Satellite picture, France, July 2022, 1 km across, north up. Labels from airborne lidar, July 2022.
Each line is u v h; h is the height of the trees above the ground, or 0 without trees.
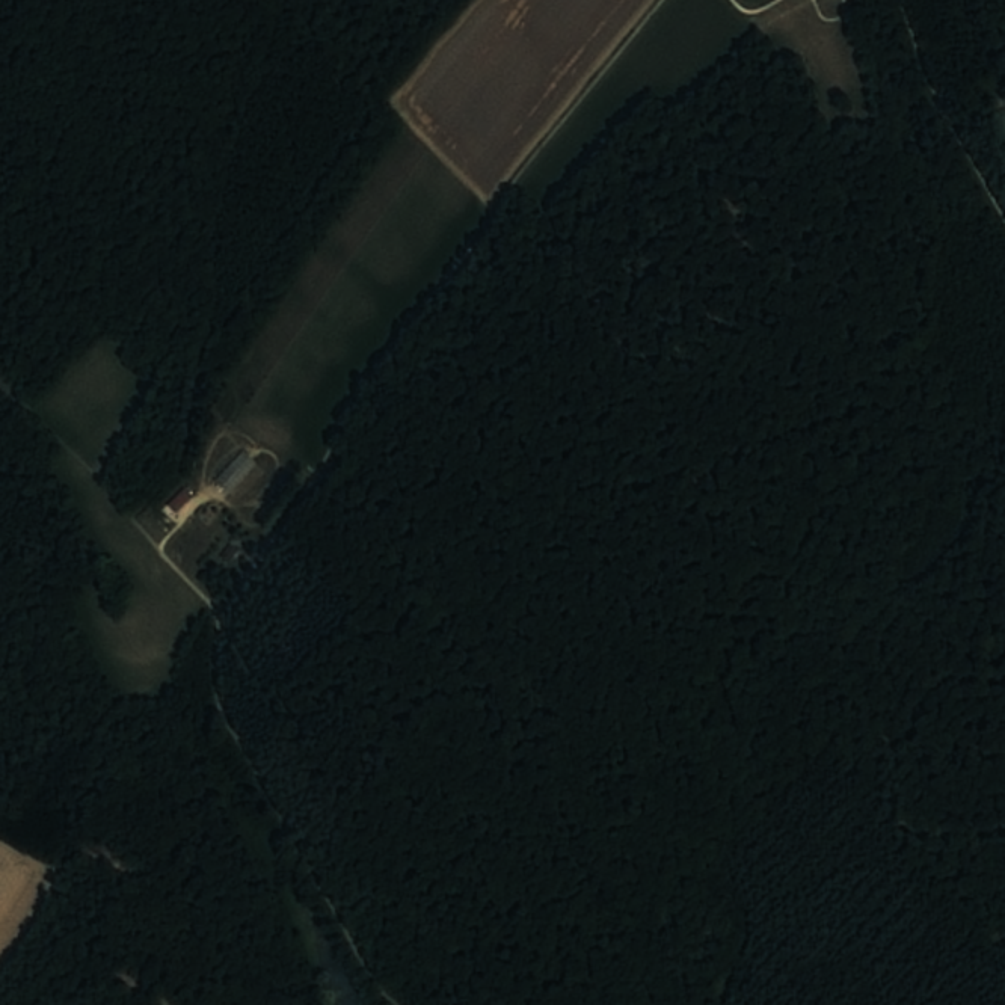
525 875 22
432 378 27
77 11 25
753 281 26
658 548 26
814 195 29
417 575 30
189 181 24
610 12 0
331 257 0
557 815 25
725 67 19
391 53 20
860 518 23
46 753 17
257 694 24
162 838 20
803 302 29
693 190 31
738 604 23
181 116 23
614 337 27
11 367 21
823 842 17
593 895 23
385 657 28
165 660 0
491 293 27
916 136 13
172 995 19
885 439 22
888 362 30
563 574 26
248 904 30
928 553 6
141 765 19
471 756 29
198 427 28
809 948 22
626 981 21
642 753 27
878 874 18
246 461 0
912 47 7
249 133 21
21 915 0
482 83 0
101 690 14
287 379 0
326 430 0
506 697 30
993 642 26
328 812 29
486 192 0
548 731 25
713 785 25
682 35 0
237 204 20
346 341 0
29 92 24
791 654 24
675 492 24
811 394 28
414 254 0
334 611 26
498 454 30
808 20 0
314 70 22
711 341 28
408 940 22
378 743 20
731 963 23
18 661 23
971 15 18
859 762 22
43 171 22
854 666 24
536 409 24
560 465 28
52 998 20
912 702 28
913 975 21
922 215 31
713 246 28
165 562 0
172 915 18
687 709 25
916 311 25
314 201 17
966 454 26
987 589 25
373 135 21
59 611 22
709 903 16
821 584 21
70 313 19
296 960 18
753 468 27
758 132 20
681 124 25
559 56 0
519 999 28
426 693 28
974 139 28
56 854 14
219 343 23
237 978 28
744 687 22
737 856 26
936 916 18
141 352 21
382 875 27
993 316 17
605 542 29
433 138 0
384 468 24
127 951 18
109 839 26
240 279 17
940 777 27
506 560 27
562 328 27
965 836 26
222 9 25
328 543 28
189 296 19
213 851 20
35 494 27
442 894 25
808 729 26
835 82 0
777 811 16
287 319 0
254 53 26
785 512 26
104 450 0
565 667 28
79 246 25
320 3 19
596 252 27
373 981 18
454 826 21
